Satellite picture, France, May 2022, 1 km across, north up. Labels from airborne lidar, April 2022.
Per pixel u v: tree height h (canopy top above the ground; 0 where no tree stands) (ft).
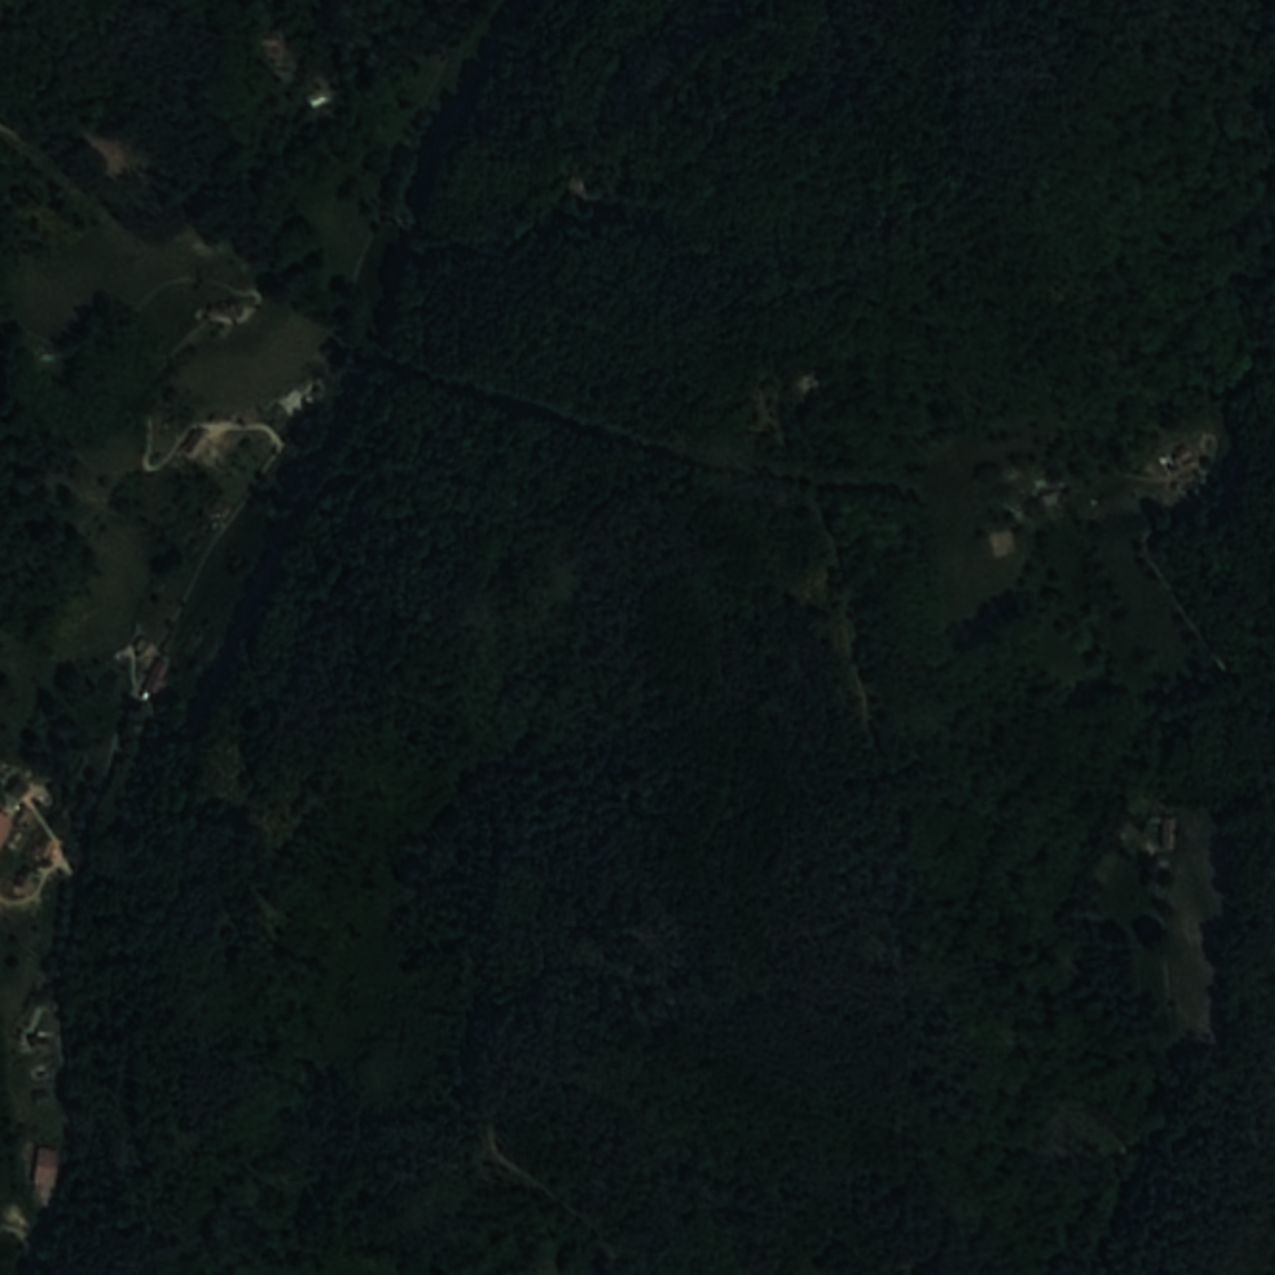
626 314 66
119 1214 76
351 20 79
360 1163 105
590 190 56
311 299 76
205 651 0
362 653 81
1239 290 74
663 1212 68
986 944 67
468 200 64
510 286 91
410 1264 52
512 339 76
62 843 0
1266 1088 57
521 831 88
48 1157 0
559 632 36
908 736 48
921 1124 44
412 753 35
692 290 94
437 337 92
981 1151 65
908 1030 49
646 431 54
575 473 73
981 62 106
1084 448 67
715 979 87
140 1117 58
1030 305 47
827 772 52
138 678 0
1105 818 86
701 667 90
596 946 135
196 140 114
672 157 79
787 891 68
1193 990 0
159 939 63
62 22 71
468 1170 32
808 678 90
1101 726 88
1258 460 80
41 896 0
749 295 58
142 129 110
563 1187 54
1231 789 39
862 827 66
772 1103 58
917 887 73
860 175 56
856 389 68
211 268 0
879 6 99
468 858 63
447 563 79
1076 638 53
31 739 62
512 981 44
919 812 80
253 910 69
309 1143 108
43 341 0
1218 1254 64
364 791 26
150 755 67
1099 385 60
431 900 66
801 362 26
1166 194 68
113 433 52
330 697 89
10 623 81
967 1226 83
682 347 54
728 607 28
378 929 0
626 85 85
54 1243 60
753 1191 84
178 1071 39
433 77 0
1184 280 86
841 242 85
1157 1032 112
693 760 108
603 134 67
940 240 41
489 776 100
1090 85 48
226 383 0
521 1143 52
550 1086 64
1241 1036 65
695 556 87
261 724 62
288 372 0
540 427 83
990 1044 54
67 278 0
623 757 77
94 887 66
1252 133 87
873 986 75
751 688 39
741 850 81
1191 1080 79
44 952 0
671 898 61
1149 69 89
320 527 85
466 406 56
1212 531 58
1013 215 54
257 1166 64
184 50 90
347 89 67
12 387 103
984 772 95
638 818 96
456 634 54
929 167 60
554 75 90
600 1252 54
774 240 93
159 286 0
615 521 78
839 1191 65
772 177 72
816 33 82
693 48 80
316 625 96
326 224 0
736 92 57
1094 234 61
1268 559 77
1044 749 84
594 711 69
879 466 82
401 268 81
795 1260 55
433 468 87
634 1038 68
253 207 93
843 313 50
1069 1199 51
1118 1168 60
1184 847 0
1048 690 67
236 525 0
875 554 70
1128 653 0
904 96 52
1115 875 0
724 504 67
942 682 67
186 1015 52
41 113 82
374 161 68
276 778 48
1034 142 80
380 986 0
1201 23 93
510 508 81
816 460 52
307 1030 93
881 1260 44
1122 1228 68
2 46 57
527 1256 72
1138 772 88
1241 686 60
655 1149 70
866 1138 54
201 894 88
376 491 94
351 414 79
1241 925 66
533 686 71
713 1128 70
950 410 86
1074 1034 30
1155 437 49
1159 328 74
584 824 83
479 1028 54
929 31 39
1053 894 71
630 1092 52
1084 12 45
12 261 26
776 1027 79
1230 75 79
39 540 81
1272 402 68
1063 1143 65
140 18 106
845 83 70
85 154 111
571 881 83
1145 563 36
